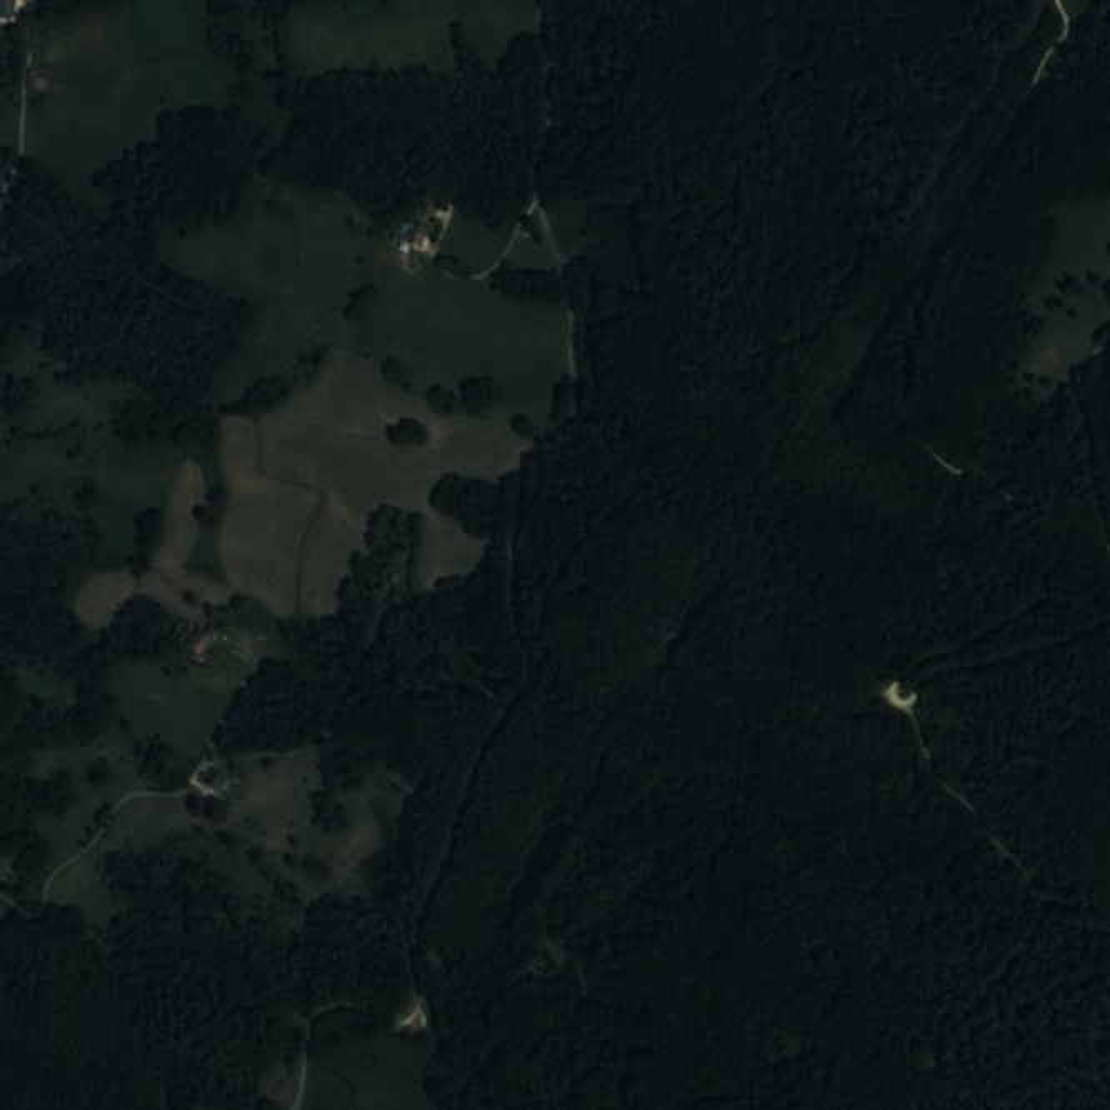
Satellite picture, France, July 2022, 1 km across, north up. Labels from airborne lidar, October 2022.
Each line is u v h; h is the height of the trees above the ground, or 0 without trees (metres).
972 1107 26
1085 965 21
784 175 23
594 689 23
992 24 21
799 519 28
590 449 22
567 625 31
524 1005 32
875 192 9
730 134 22
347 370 0
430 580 0
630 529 20
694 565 16
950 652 15
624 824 23
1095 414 26
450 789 21
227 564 0
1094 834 19
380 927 15
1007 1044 25
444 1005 18
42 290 21
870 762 22
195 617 0
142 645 9
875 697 7
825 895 16
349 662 24
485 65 17
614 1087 15
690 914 28
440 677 19
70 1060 23
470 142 23
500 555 18
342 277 0
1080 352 0
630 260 6
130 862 9
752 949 23
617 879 12
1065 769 27
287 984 21
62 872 0
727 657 20
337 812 10
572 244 0
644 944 29
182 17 0
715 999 16
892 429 20
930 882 20
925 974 27
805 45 21
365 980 21
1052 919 25
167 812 0
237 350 22
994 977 19
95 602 0
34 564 7
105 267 23
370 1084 0
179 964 13
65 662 15
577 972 16
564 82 23
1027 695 25
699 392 25
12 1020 31
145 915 8
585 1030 8
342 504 0
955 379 27
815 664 21
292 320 0
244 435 0
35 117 0
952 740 10
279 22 14
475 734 24
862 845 32
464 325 0
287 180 21
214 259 0
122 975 12
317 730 7
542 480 20
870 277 14
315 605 0
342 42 0
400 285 0
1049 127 26
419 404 0
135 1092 27
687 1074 27
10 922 10
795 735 16
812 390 7
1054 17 10
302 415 0
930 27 27
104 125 0
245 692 16
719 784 17
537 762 27
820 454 9
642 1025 32
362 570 17
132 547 0
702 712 30
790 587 27
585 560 35
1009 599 32
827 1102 32
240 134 24
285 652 0
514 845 20
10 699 28
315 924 16
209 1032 10
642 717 37
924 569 25
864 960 27
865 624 24
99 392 0
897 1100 28
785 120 23
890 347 25
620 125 32
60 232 19
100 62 0
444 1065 9
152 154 22
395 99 17
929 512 7
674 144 27
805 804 33
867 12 27
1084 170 25
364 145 24
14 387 18
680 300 22
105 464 0
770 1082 18
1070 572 27
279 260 0
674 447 28
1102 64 22
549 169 24
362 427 0
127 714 0
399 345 0
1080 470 21
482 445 0
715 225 22
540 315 0
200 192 22
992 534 27
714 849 33
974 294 28
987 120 8
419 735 31
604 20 9
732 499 20
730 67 31
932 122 26
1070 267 0
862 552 25
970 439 23
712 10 28
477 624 27
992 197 22
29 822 7
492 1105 23
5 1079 32
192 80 0
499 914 21
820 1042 20
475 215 10
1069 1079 23
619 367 29
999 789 22
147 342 26
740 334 24
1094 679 11
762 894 25
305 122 19
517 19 0
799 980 18
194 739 0
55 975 18
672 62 30
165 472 0
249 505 0
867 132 19
